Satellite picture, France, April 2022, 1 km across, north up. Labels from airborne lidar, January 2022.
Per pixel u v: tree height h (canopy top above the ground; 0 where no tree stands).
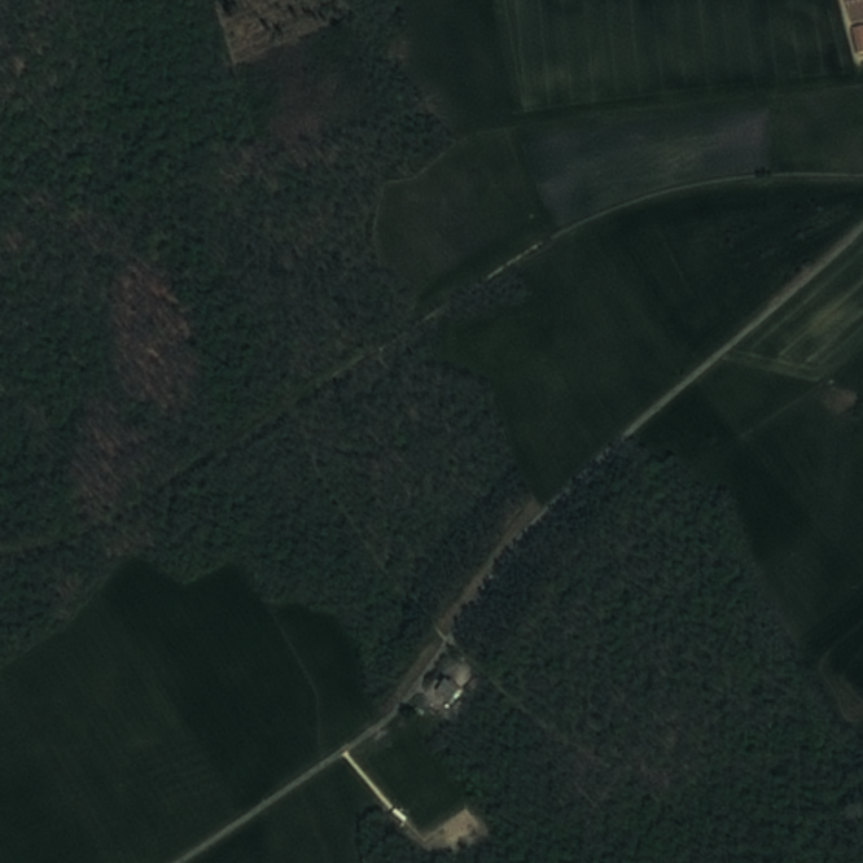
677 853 23
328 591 23
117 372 25
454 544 22
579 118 0
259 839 0
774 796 23
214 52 22
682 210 0
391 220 0
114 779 0
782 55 0
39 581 24
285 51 8
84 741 0
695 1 0
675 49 0
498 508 22
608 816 23
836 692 0
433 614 21
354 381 19
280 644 0
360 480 20
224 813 0
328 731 0
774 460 0
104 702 0
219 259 24
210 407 24
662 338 0
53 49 22
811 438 0
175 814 0
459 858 18
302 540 25
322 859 0
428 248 0
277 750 0
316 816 0
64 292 22
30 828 0
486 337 0
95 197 24
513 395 0
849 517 0
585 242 0
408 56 0
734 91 0
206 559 20
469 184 0
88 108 22
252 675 0
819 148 0
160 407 23
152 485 25
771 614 19
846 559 0
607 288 0
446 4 0
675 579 24
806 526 0
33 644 15
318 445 17
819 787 27
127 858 0
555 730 22
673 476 22
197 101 24
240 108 21
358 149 24
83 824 0
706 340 0
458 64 0
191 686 0
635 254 0
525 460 0
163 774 0
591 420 0
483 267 0
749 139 0
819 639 0
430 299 0
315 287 23
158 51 22
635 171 0
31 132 21
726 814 23
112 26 22
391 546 21
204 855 0
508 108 0
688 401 0
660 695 23
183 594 0
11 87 23
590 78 0
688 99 0
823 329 0
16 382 19
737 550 21
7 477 24
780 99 0
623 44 0
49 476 22
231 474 24
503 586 23
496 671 19
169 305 21
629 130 0
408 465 25
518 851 24
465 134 0
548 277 0
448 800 0
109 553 24
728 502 22
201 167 23
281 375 21
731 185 0
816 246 0
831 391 0
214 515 21
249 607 0
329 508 24
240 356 24
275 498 22
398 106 22
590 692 20
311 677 0
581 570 23
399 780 0
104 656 0
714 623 21
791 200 0
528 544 15
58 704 0
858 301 0
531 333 0
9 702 0
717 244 0
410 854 23
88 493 28
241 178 27
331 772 0
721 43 0
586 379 0
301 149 7
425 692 0
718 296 0
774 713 22
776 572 0
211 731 0
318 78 6
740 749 23
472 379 17
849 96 0
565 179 0
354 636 14
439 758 13
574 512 24
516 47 0
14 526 24
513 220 0
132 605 0
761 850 25
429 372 20
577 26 0
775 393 0
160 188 23
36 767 0
